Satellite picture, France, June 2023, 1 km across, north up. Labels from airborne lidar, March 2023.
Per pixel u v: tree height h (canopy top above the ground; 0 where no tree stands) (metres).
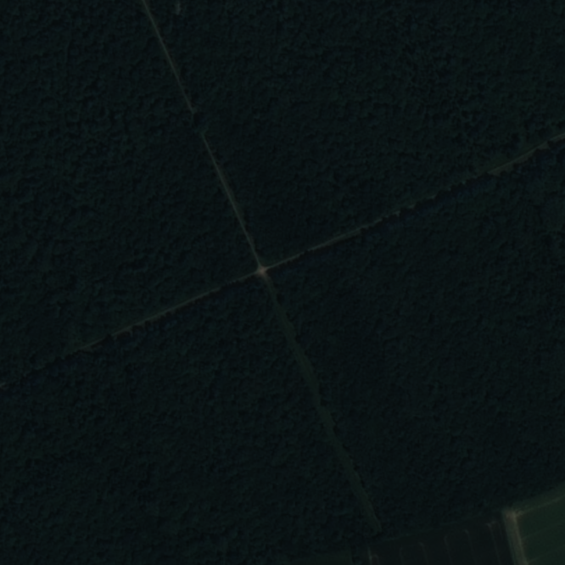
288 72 16
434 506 20
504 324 27
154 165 24
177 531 19
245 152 21
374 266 22
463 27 26
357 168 20
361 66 21
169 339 25
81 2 19
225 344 27
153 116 26
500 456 23
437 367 22
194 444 23
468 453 20
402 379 19
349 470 0
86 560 26
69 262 21
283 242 19
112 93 26
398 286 20
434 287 24
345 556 0
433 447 24
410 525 22
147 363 22
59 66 21
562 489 0
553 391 18
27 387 20
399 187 18
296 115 23
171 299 20
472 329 24
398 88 23
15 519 19
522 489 21
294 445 25
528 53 27
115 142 27
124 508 26
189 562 23
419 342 21
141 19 24
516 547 0
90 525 21
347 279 21
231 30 24
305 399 23
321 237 19
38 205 27
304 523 19
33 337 24
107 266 24
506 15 27
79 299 21
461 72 24
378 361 23
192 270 27
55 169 24
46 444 22
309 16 25
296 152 21
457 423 23
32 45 22
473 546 0
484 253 20
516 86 24
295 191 19
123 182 23
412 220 23
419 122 22
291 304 23
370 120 21
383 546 0
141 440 22
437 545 0
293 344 0
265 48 22
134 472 18
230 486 21
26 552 20
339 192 19
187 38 22
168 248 16
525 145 0
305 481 23
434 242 25
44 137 22
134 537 25
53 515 27
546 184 27
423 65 21
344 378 18
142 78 19
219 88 18
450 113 15
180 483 24
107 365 23
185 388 21
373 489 22
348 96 22
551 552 0
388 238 24
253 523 23
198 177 24
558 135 0
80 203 10
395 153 17
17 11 17
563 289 14
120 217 23
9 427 29
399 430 24
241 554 22
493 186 20
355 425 19
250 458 22
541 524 0
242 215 0
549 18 23
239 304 19
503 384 24
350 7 28
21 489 27
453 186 0
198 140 19
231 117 20
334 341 20
